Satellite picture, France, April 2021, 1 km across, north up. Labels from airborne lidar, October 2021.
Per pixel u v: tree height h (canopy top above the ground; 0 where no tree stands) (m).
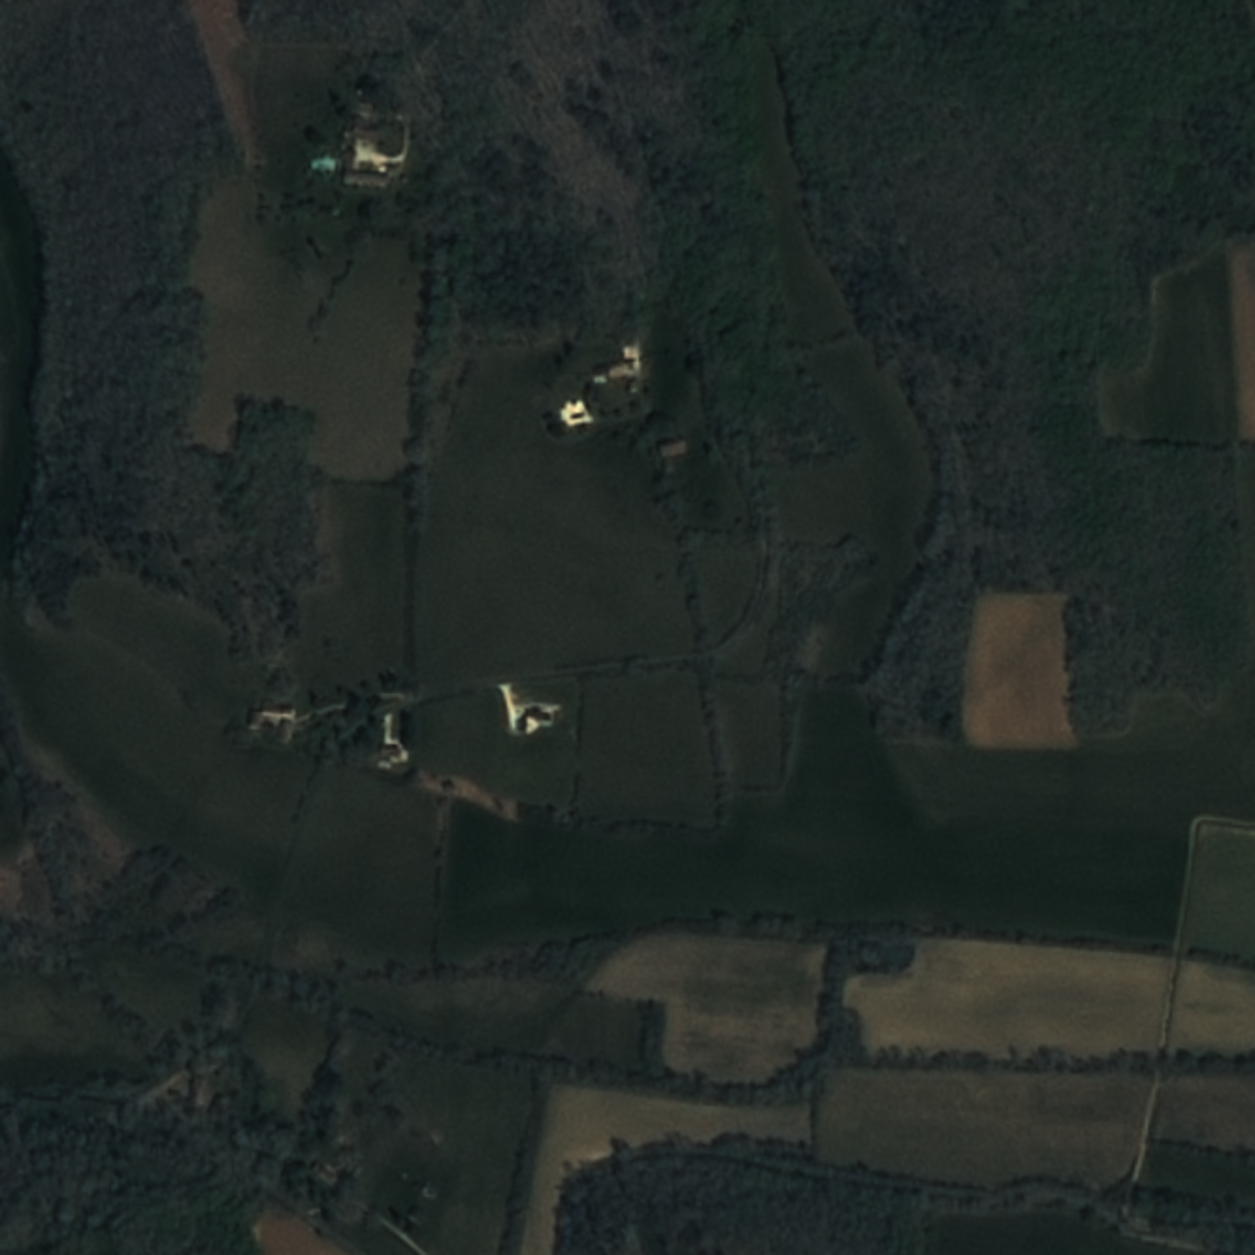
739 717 0
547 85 21
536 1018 0
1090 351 16
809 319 0
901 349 9
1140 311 15
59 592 7
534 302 26
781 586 8
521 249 22
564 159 19
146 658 0
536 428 0
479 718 0
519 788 0
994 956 0
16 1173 16
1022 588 6
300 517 22
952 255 12
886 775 0
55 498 10
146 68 19
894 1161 0
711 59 21
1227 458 12
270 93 0
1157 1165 0
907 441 0
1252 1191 0
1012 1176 0
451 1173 0
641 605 0
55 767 0
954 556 15
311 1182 13
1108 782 0
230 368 0
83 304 15
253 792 0
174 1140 12
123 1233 16
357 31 23
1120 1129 0
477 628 0
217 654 0
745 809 0
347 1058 27
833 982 15
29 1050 0
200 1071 17
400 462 0
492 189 24
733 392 20
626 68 20
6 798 6
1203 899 0
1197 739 0
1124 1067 16
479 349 14
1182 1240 16
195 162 19
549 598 0
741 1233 19
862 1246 19
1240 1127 0
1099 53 19
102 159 13
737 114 22
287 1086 0
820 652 0
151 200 18
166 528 15
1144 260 15
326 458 0
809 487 0
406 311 0
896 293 17
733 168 21
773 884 0
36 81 11
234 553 11
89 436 11
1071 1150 0
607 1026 0
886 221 15
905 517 0
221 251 0
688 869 0
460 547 0
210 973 12
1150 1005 0
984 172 13
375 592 0
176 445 17
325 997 9
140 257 18
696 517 0
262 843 0
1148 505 15
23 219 0
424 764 0
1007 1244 0
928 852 0
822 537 0
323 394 0
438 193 17
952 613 16
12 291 0
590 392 7
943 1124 0
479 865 0
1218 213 10
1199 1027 0
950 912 0
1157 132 21
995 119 18
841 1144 0
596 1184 9
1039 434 13
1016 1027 0
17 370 0
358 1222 18
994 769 0
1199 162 15
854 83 19
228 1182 17
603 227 23
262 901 0
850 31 25
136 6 15
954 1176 0
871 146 16
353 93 0
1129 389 0
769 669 10
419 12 21
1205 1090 0
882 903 0
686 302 24
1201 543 15
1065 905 0
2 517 0
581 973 7
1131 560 16
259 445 24
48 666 0
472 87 21
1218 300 0
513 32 24
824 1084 20
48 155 12
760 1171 15
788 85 18
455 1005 0
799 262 0
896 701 20
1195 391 0
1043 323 14
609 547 0
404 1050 8
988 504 7
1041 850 0
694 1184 14
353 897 0
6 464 0
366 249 18
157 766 0
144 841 0
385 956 0
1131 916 0
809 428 7
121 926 15
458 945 0
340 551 0
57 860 6
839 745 0
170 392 18
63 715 0
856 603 0
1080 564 15
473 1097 0
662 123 23
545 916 0
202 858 0
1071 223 19
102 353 15
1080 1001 0
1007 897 0
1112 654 17
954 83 21
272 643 13
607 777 0
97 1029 0
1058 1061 15
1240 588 11
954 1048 0
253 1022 0
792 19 24
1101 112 19
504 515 0
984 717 0
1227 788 0
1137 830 0
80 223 20
